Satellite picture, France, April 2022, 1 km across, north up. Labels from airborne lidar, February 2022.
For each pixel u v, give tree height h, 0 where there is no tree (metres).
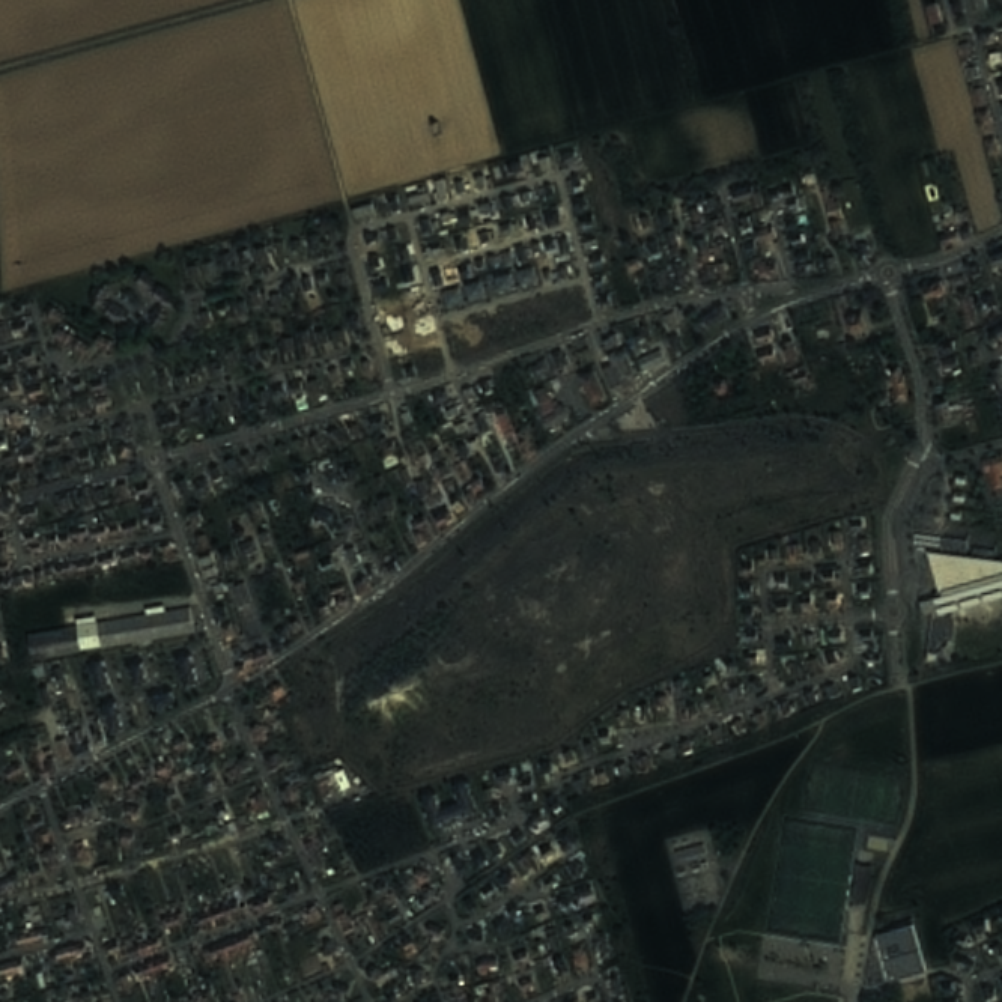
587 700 0
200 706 0
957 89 0
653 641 0
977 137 0
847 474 0
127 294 7
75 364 0
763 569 0
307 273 0
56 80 0
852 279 0
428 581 0
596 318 0
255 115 0
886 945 0
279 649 9
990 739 0
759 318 0
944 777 0
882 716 0
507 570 0
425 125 0
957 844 0
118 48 0
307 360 0
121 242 0
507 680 0
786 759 0
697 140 0
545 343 0
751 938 0
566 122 0
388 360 0
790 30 0
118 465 0
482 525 0
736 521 0
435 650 0
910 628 0
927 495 7
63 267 0
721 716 0
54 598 0
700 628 0
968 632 0
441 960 0
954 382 10
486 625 0
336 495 0
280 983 0
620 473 0
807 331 0
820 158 13
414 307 0
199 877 0
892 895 0
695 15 0
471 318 0
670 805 0
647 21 0
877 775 0
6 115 0
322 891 0
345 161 0
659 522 0
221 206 0
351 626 0
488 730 0
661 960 0
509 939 0
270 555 0
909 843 0
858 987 0
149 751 0
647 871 0
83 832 0
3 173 0
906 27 6
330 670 0
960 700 0
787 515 0
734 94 0
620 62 0
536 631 0
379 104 0
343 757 0
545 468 0
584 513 0
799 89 0
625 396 0
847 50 0
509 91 0
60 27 0
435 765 0
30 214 0
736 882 0
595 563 0
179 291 0
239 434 0
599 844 0
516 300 0
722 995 0
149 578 0
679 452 0
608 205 0
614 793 0
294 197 0
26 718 0
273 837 6
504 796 0
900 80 0
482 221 0
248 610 0
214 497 0
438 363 0
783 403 0
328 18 0
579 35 0
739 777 0
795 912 0
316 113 0
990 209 0
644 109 0
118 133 0
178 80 0
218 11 0
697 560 0
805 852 0
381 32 0
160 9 0
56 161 0
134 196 0
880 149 0
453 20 0
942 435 0
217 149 0
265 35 0
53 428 0
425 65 0
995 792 0
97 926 0
